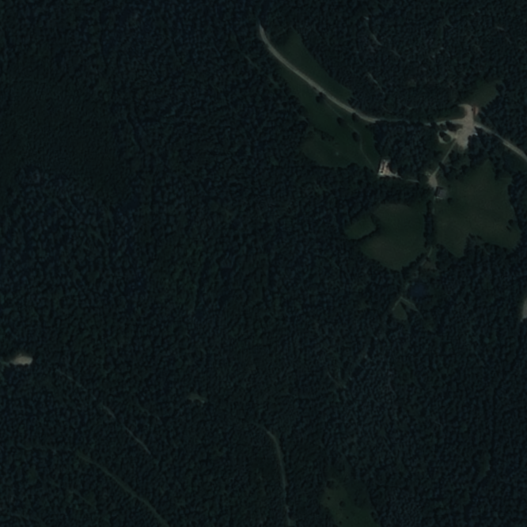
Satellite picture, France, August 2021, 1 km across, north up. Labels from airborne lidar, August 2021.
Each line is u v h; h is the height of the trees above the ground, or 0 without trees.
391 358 19
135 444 27
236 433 22
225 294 21
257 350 25
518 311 27
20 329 24
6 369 0
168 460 25
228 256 35
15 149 12
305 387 21
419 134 40
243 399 15
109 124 8
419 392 17
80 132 7
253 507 26
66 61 33
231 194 23
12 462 20
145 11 20
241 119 12
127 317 20
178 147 25
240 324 27
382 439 22
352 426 22
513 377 19
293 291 22
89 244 31
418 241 0
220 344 20
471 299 28
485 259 21
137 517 28
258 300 18
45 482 18
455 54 24
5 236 6
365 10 27
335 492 0
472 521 35
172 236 24
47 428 24
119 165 11
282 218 26
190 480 26
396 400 15
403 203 16
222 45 29
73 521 21
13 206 9
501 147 33
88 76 31
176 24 19
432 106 27
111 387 29
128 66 17
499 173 16
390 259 0
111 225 34
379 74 19
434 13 28
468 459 32
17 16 27
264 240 29
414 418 19
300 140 10
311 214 26
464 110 0
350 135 0
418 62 12
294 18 22
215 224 21
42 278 28
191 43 25
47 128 9
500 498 20
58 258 18
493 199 0
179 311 18
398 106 33
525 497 32
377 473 21
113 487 22
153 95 16
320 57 16
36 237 23
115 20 21
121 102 6
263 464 20
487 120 33
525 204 23
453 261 27
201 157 27
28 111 9
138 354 28
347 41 12
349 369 25
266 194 26
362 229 0
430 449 25
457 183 0
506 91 30
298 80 0
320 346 18
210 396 18
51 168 7
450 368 24
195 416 20
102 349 28
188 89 24
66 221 36
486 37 20
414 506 27
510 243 0
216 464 23
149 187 20
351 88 23
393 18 25
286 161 23
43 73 8
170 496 25
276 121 18
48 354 29
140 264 29
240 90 26
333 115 0
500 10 22
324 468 14
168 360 10
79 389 23
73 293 31
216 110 24
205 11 13
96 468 18
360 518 0
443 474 14
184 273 20
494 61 30
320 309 20
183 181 23
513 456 25
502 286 19
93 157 11
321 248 23
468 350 26
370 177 24
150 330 21
